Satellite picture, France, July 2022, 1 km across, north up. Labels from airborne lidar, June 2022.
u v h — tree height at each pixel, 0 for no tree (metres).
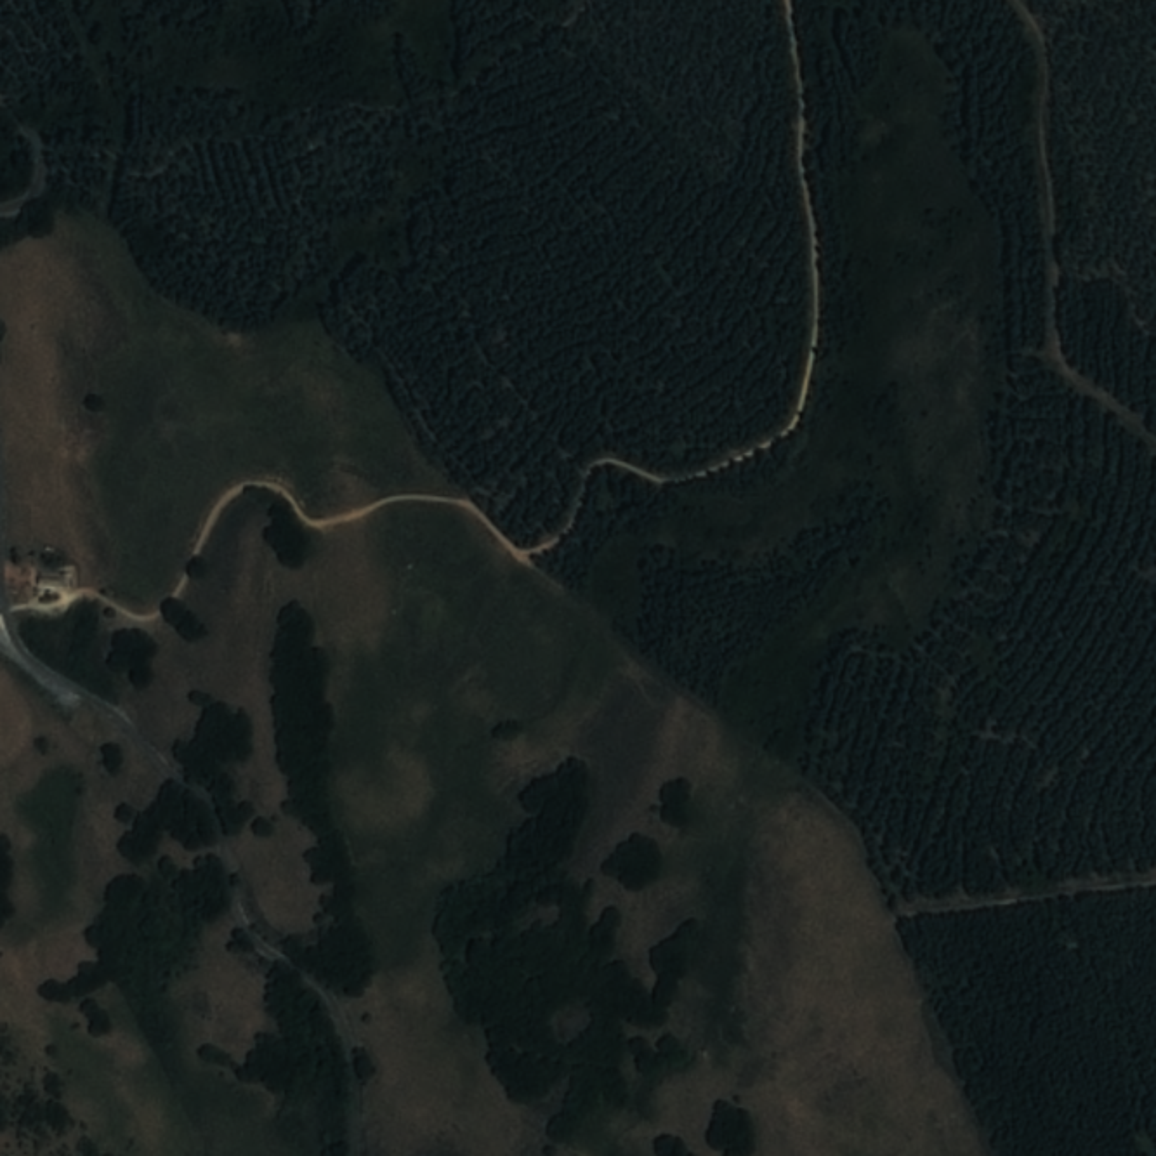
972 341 0
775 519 0
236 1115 0
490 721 0
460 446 18
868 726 15
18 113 12
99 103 10
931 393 0
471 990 10
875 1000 0
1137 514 17
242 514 0
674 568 10
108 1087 0
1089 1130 13
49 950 0
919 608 0
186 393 0
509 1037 11
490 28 13
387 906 0
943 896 16
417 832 0
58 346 0
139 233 17
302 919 0
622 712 0
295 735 15
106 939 12
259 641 0
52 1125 7
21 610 0
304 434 0
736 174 16
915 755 14
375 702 0
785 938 0
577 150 18
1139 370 19
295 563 12
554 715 0
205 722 10
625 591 0
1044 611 18
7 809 0
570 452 17
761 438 14
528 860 11
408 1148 0
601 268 19
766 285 17
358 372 0
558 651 0
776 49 19
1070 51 13
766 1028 0
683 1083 0
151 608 0
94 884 0
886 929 0
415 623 0
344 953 12
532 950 9
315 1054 9
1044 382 19
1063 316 16
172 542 0
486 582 0
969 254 0
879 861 16
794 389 16
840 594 0
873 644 11
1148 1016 13
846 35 18
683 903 0
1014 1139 10
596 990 11
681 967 12
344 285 14
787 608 12
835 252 17
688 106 9
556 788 12
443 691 0
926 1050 0
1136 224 9
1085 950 15
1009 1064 15
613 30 10
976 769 14
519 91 19
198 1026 0
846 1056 0
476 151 12
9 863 10
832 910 0
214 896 13
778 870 0
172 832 10
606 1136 0
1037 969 12
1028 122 11
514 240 17
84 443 0
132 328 0
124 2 6
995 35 20
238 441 0
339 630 0
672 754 0
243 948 12
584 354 22
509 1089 11
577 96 16
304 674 14
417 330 20
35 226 14
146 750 0
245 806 8
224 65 0
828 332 9
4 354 0
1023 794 20
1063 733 16
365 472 0
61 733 0
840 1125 0
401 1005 0
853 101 22
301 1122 0
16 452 0
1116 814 16
